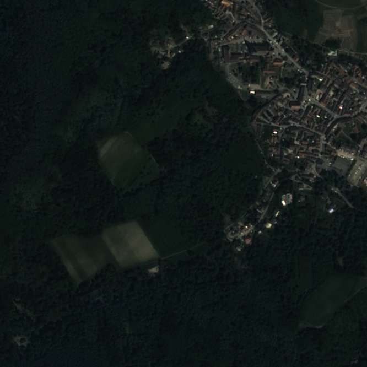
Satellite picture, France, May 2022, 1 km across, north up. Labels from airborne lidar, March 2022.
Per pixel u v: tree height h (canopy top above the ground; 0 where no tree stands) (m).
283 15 0
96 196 19
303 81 0
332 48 7
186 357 21
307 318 0
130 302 24
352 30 0
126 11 13
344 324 21
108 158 0
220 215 14
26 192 22
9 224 22
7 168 23
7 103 21
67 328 23
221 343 25
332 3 0
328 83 0
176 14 11
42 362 25
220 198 11
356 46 0
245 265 15
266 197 0
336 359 32
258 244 9
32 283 22
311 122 0
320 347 24
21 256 20
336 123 0
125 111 19
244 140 6
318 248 8
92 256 0
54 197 22
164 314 29
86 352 21
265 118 8
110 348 21
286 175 9
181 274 19
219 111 9
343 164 0
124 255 0
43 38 24
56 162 16
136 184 0
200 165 25
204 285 23
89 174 22
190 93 15
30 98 19
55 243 0
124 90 29
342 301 0
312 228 14
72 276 0
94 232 19
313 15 0
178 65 20
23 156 23
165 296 32
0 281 19
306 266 0
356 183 0
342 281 0
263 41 0
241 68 12
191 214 7
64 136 20
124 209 21
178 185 26
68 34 15
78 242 0
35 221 25
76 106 19
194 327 20
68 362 24
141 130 0
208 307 24
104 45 30
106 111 26
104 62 21
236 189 8
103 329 27
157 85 23
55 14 27
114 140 0
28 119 23
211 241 24
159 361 21
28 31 20
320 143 0
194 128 17
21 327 24
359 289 0
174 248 0
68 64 22
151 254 0
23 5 24
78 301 24
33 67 22
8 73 22
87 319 25
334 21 0
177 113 0
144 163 0
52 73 25
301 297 10
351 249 13
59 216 20
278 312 19
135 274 20
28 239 20
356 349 27
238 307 27
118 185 0
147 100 18
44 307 20
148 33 8
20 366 32
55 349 25
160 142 12
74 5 15
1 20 10
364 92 0
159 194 16
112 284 23
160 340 23
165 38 0
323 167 0
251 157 0
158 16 12
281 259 8
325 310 0
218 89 14
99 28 11
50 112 21
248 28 0
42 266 18
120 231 0
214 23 0
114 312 26
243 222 0
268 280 21
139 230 0
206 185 11
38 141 24
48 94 23
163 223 0
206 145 22
